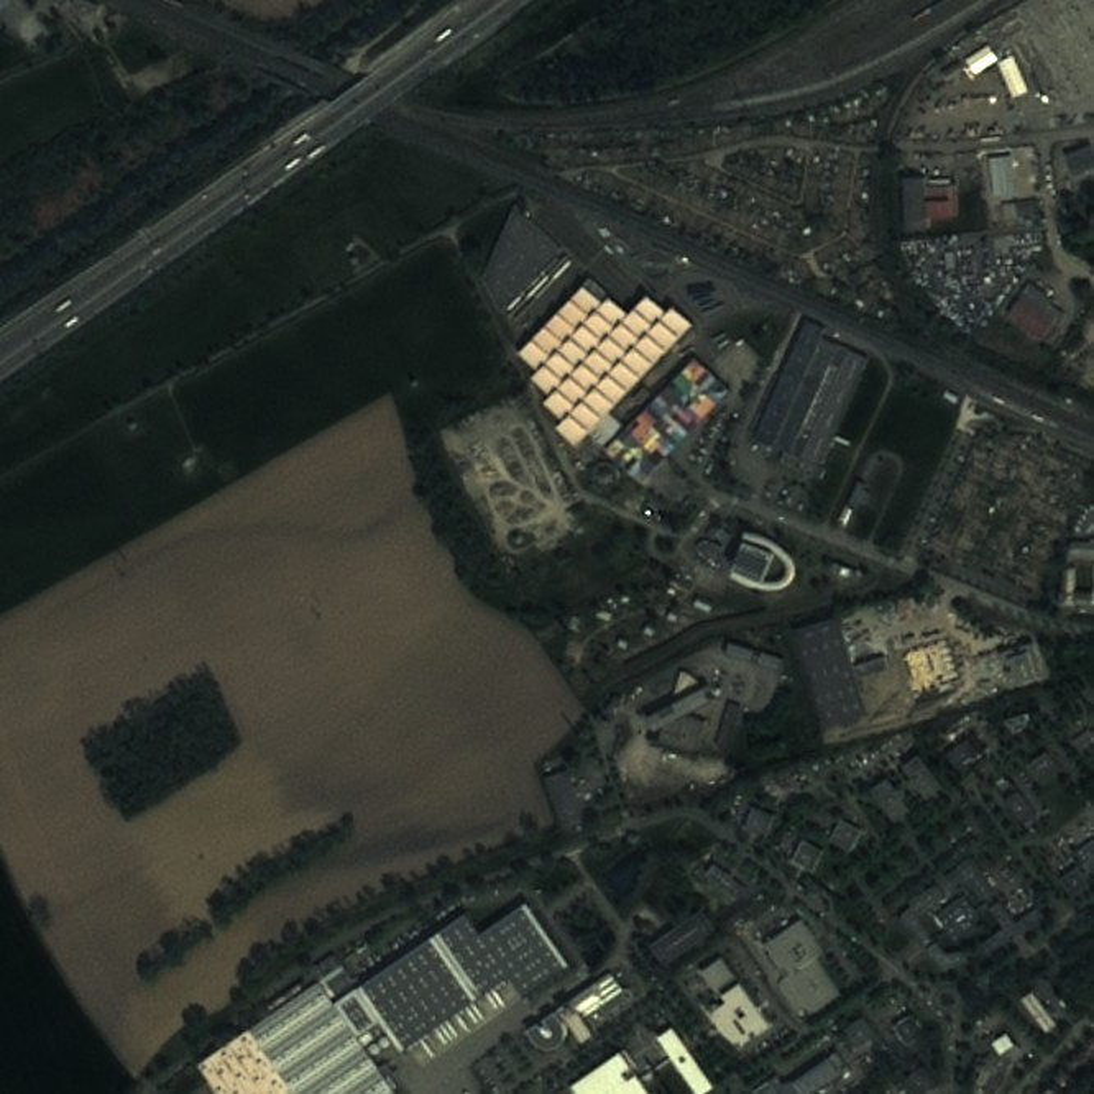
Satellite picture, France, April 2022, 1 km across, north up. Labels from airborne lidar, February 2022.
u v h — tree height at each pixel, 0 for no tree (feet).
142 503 0
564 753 0
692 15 81
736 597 0
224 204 0
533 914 0
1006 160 0
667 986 26
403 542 0
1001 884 0
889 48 0
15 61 0
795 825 30
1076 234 60
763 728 35
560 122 0
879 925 38
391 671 0
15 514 0
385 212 0
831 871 0
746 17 72
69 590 0
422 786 0
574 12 0
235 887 34
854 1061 0
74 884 0
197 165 49
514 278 0
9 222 52
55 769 0
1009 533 0
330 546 0
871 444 0
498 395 0
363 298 0
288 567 0
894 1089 0
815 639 0
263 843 0
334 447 0
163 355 0
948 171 0
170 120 55
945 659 0
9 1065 0
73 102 0
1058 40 0
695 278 0
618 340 0
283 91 34
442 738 0
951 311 0
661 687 0
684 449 0
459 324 0
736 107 0
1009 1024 0
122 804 39
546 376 0
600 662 28
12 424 0
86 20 0
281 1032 0
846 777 0
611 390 0
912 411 0
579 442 0
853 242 0
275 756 0
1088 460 0
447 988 0
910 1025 0
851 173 0
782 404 0
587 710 0
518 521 0
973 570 0
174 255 0
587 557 0
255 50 0
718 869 0
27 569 0
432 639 0
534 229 0
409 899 60
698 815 0
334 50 34
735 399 0
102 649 0
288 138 0
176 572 0
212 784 0
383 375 0
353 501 0
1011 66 0
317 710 0
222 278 0
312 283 0
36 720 0
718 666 0
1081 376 0
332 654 0
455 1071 0
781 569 0
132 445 0
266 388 0
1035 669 0
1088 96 0
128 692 0
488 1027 0
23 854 0
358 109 0
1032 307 0
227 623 0
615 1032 29
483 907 0
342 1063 0
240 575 0
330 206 0
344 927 52
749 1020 0
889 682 0
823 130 0
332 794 0
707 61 72
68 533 0
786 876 0
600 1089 0
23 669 0
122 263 0
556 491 0
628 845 20
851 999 38
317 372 0
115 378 0
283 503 0
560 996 0
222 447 0
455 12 0
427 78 24
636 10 80
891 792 0
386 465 0
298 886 0
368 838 0
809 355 0
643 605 0
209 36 0
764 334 28
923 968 0
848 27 0
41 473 0
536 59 55
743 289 0
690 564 0
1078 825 0
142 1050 0
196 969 0
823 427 0
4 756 0
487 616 0
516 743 0
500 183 0
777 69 0
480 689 0
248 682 0
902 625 0
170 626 0
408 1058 0
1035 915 0
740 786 28
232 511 0
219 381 0
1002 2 0
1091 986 59
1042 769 0
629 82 99
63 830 0
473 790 0
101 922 0
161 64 61
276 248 0
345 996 0
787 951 0
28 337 0
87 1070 0
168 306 0
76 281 0
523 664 0
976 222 0
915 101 0
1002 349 0
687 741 0
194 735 60
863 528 0
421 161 0
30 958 0
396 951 0
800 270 0
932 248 0
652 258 0
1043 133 0
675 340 0
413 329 0
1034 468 0
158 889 0
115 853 0
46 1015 0
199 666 0
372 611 0
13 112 0
